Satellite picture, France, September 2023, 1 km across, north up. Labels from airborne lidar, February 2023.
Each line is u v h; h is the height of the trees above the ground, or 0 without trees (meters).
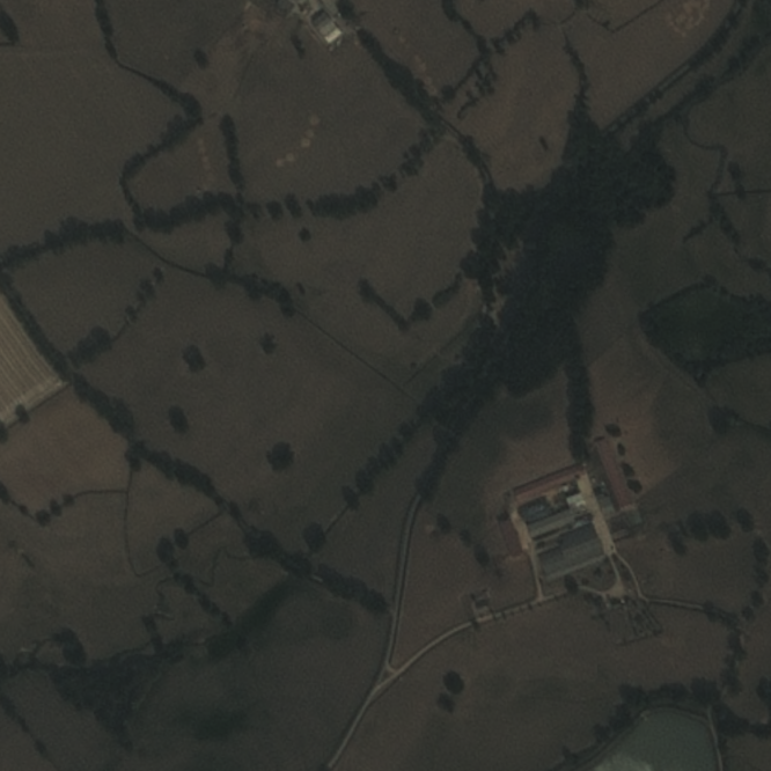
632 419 0
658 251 0
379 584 0
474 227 0
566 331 20
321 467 0
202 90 0
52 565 0
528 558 0
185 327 0
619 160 6
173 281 0
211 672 0
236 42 0
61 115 0
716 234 0
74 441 0
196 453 0
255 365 0
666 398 0
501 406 0
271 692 0
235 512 15
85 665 0
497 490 0
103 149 0
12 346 0
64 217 0
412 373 0
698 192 0
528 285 33
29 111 0
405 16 0
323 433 0
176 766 0
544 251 22
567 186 21
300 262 0
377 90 0
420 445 0
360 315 0
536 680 0
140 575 0
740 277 0
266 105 0
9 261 16
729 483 0
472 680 0
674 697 13
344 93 0
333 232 0
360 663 0
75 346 0
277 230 0
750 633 0
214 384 0
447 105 0
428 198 0
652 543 0
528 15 6
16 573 0
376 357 0
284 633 0
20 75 0
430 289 0
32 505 0
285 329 0
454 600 0
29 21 0
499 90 0
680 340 0
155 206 0
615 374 0
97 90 0
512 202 19
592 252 24
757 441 0
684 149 0
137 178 0
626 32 0
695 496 0
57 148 0
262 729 0
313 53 0
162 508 0
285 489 0
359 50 0
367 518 0
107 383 0
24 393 0
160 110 0
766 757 0
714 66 0
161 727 0
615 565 0
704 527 18
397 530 0
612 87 0
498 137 0
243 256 0
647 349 0
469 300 0
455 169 0
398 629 0
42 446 0
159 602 0
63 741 0
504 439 0
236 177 19
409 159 13
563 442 0
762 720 0
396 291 0
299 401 0
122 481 0
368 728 0
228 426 0
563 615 0
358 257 0
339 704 0
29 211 0
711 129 0
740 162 0
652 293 0
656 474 0
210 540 0
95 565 0
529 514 0
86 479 0
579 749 0
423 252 0
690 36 0
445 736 0
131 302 0
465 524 0
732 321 0
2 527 0
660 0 0
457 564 0
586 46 0
